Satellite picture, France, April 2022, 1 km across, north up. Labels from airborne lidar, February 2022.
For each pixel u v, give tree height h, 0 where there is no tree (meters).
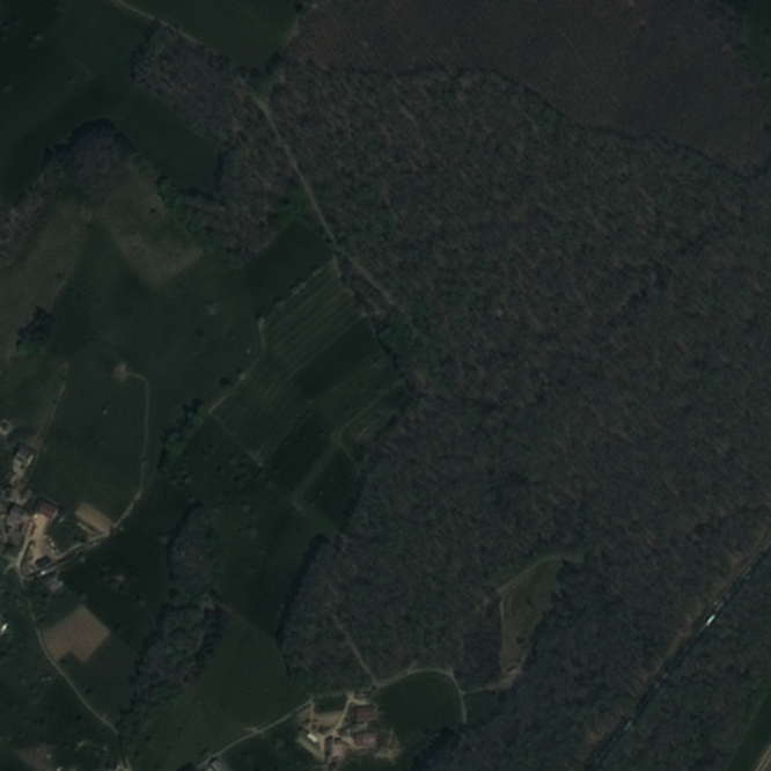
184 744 0
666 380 29
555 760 27
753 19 0
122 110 0
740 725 29
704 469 27
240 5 0
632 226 27
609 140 25
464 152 29
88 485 0
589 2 11
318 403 0
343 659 15
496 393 26
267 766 0
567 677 26
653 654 22
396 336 24
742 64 15
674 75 9
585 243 27
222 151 20
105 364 0
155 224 0
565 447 29
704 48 13
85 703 0
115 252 0
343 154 28
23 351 15
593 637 28
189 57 32
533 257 27
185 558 33
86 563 0
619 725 25
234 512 0
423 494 29
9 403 0
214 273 0
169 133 0
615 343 30
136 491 0
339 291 0
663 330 29
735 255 25
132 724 15
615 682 29
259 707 0
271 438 0
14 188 0
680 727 27
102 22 0
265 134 30
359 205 29
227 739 0
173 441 21
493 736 29
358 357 0
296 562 0
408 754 0
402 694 0
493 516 27
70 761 0
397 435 24
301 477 0
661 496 27
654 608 27
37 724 8
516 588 0
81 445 0
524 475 27
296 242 0
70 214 0
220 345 0
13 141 0
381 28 11
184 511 0
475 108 24
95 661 0
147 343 0
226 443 0
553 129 28
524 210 29
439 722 0
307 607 31
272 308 0
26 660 0
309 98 25
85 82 0
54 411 0
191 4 0
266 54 0
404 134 27
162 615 0
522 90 25
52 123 0
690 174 26
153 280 0
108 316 0
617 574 28
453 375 26
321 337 0
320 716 0
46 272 0
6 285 0
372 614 29
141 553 0
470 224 27
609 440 30
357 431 0
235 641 0
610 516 30
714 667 29
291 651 30
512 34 12
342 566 31
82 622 0
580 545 28
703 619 0
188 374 0
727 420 27
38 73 0
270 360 0
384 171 27
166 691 23
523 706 28
